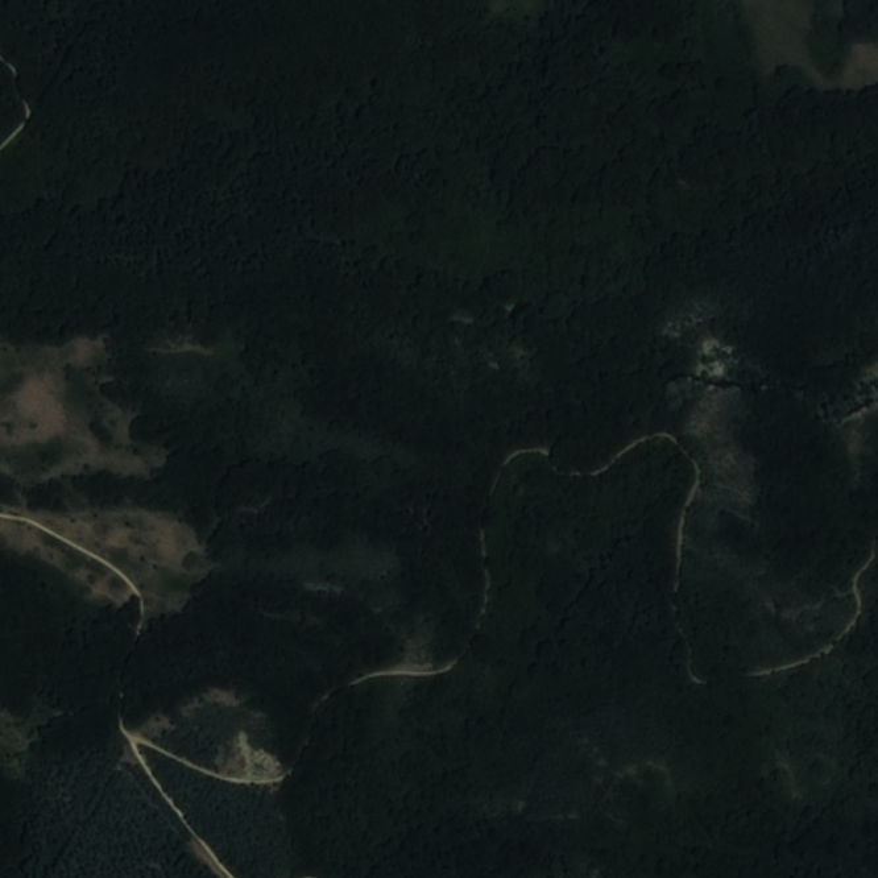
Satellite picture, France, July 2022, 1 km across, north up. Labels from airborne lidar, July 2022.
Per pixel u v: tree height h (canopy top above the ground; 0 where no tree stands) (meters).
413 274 10
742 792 14
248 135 16
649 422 8
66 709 16
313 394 11
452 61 17
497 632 9
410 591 8
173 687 11
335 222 14
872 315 7
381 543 7
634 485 9
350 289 19
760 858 13
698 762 8
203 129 24
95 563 0
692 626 8
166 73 21
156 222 17
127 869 13
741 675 7
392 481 5
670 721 8
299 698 13
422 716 14
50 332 17
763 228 20
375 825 7
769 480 8
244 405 7
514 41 7
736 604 6
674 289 20
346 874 12
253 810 9
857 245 21
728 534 8
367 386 9
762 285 11
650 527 17
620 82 11
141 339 7
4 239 16
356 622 7
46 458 6
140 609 10
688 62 8
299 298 18
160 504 9
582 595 18
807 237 18
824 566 11
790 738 6
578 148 13
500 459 12
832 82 0
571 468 13
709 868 11
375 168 20
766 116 19
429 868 17
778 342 17
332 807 7
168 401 9
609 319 24
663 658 9
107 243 24
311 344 12
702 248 22
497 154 14
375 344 7
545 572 11
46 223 17
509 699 13
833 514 12
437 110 9
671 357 23
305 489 11
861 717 16
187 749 10
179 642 14
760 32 0
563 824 6
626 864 9
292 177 17
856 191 27
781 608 16
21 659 20
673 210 10
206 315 19
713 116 6
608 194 19
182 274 16
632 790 6
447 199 8
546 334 22
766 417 9
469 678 6
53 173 9
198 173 18
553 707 8
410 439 13
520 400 13
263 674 9
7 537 0
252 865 11
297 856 9
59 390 0
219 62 22
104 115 7
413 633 7
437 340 9
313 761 15
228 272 21
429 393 9
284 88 23
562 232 9
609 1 13
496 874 21
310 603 7
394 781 6
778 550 11
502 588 11
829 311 16
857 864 9
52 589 7
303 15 21
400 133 25
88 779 12
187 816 11
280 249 22
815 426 11
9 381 0
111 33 15
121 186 21
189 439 10
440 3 24
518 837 7
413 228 19
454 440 14
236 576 8
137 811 11
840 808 8
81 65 18
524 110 8
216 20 16
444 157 20
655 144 21
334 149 20
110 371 6
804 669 12
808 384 14
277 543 10
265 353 11
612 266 9
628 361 24
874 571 9
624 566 20
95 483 12
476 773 6
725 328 10
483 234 8
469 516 16
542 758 10
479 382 20
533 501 12
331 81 17
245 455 6
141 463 0
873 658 8
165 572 0
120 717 7
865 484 7
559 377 18
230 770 0
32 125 19
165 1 20
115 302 20
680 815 9
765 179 19
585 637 17
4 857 21
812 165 8
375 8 22
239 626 12
